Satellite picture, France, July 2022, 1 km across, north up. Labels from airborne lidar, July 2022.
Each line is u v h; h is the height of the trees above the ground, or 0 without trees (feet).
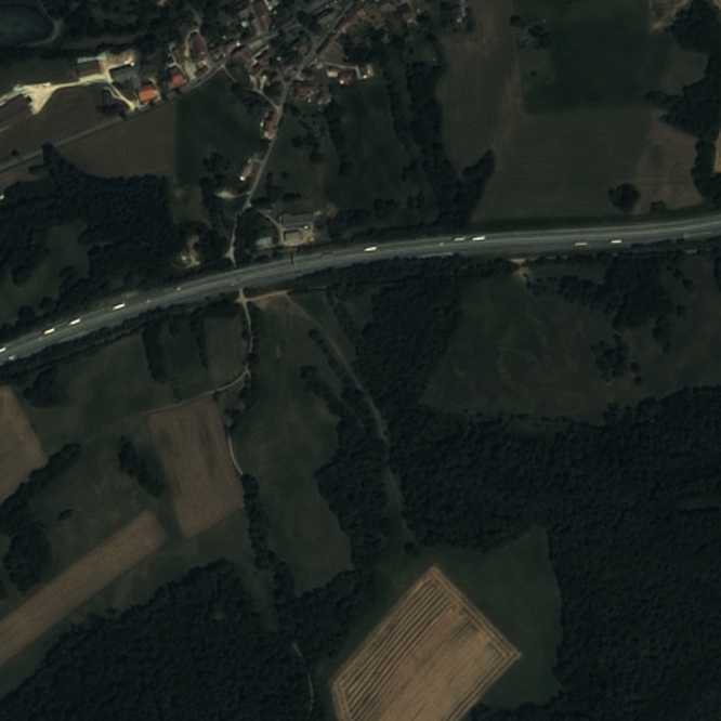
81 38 72
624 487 45
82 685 51
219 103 0
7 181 0
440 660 0
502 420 37
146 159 0
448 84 0
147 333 57
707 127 52
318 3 0
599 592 53
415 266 41
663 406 68
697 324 0
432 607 0
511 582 0
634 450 64
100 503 0
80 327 0
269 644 69
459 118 0
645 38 0
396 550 0
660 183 0
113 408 0
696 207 0
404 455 64
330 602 46
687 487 67
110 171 0
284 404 0
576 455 81
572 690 24
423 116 67
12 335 60
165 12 39
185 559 0
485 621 0
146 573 0
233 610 75
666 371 0
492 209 0
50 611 0
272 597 0
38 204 55
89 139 0
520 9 0
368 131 0
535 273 0
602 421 0
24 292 0
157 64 0
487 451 86
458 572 0
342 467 75
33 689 40
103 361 0
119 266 50
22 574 65
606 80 0
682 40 43
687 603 53
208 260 27
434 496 80
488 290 0
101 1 37
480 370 0
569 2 0
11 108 0
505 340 0
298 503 0
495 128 0
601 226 0
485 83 0
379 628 0
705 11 43
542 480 68
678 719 64
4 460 0
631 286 69
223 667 60
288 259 0
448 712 0
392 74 22
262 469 0
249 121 0
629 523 51
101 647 58
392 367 48
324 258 0
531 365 0
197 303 0
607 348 22
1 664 0
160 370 69
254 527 52
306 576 0
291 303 0
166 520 0
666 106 26
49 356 42
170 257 57
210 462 0
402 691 0
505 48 0
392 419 54
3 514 47
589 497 46
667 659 55
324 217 0
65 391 0
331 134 37
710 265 0
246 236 26
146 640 66
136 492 0
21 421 0
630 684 34
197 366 0
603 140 0
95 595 0
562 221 0
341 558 0
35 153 0
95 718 75
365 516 54
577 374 0
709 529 73
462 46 0
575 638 58
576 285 78
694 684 60
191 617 49
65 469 33
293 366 0
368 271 47
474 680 0
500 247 0
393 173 0
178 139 0
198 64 0
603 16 0
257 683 81
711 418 56
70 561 0
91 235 50
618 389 0
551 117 0
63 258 0
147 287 31
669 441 75
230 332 0
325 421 0
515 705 0
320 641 71
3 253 45
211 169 18
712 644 49
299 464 0
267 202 58
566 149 0
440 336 85
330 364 36
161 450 0
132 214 74
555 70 0
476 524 53
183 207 0
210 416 0
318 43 0
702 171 52
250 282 0
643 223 0
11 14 0
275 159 0
